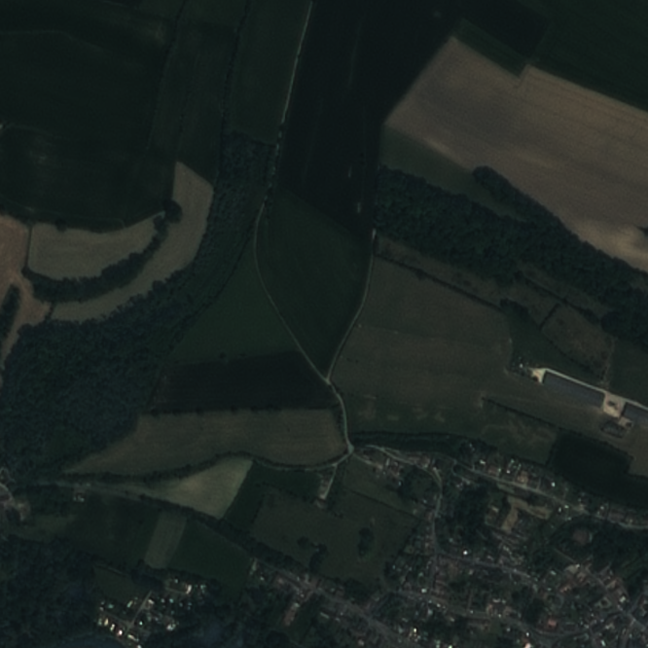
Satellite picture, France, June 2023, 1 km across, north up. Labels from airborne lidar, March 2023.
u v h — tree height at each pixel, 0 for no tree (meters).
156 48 0
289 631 0
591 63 0
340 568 0
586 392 0
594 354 0
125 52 0
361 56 0
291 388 0
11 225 0
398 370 0
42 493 8
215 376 0
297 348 0
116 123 0
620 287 20
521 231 20
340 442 0
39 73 0
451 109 0
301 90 0
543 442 0
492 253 22
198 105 0
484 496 18
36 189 0
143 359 13
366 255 0
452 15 0
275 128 0
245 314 0
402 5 0
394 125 0
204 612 16
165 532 0
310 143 0
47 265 0
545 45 0
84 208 0
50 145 0
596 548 13
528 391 0
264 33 0
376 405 0
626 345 0
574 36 0
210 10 0
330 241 0
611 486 0
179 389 0
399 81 0
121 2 0
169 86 0
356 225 0
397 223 18
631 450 0
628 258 0
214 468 0
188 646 25
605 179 0
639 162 0
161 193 0
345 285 0
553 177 0
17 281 0
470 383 0
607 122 0
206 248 7
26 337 16
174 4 0
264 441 0
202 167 0
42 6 0
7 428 20
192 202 0
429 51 0
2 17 0
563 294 0
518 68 0
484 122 0
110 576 0
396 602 7
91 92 0
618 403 0
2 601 16
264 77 0
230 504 0
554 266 22
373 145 0
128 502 0
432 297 0
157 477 8
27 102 0
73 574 18
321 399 0
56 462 9
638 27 0
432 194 21
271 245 0
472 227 22
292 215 0
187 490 0
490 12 0
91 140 0
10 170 0
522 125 0
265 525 0
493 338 0
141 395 17
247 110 0
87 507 0
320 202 0
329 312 0
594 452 0
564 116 0
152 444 0
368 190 0
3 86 0
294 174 0
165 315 18
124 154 0
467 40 0
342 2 0
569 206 0
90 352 6
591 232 0
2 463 12
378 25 0
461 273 0
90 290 24
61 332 24
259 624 18
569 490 0
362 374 0
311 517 0
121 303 0
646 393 0
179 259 0
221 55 0
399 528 0
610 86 0
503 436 0
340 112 0
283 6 0
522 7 0
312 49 0
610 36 0
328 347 0
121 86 0
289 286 0
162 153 0
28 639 17
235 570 0
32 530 0
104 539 0
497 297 0
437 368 0
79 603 23
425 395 0
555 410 0
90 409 17
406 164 0
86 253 0
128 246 0
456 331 0
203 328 0
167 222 8
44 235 0
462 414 0
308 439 0
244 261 0
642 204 0
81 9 0
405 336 0
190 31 0
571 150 0
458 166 0
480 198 0
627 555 13
